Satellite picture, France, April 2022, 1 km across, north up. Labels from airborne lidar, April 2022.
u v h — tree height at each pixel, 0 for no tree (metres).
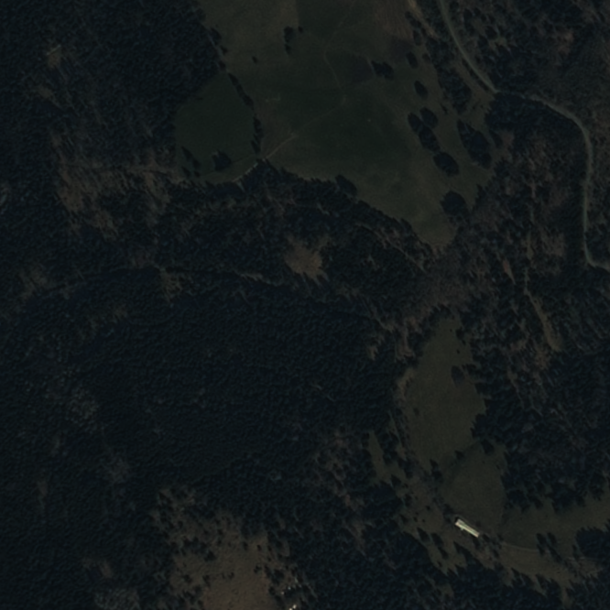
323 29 0
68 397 18
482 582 31
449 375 0
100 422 18
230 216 8
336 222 25
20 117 22
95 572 0
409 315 11
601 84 11
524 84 15
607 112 10
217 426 27
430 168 0
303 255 0
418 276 8
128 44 27
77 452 21
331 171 0
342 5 0
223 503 8
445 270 9
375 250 12
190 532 0
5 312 21
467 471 0
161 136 29
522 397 15
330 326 24
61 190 17
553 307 7
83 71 28
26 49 27
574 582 0
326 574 12
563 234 14
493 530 0
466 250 13
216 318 22
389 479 0
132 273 12
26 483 21
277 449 26
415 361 14
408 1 0
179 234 10
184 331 26
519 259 21
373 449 0
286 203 24
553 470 10
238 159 0
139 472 12
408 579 28
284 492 21
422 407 0
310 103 0
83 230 6
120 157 25
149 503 16
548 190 12
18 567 20
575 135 17
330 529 20
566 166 9
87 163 25
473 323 26
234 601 0
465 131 19
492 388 26
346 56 0
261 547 7
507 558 0
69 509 18
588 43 15
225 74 0
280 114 0
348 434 23
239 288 29
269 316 28
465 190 0
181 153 0
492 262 15
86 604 19
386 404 31
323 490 16
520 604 30
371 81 0
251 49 0
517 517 0
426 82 0
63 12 31
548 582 12
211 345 26
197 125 0
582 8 7
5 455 27
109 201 8
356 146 0
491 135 0
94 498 24
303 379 22
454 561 0
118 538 14
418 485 0
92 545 22
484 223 15
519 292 20
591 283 29
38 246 20
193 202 10
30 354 16
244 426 25
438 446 0
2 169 21
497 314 18
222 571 0
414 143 0
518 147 11
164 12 27
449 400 0
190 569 0
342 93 0
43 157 23
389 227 8
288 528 9
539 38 12
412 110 0
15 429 25
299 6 0
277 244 26
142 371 25
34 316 21
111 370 19
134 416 18
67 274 20
